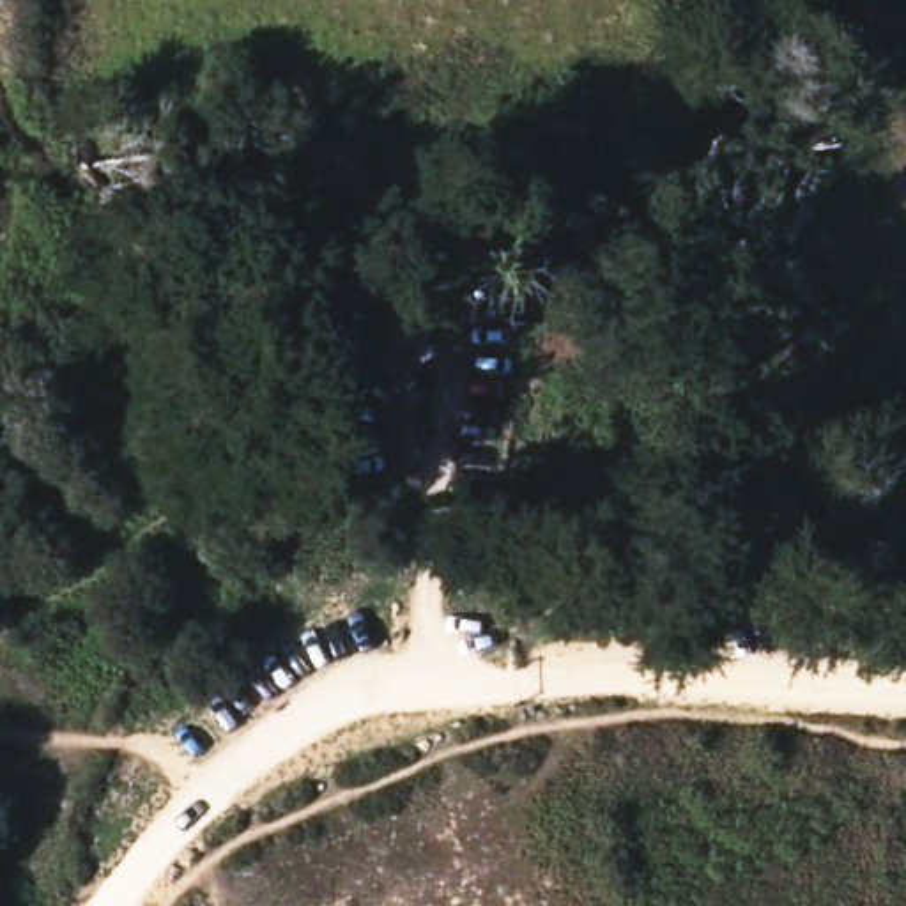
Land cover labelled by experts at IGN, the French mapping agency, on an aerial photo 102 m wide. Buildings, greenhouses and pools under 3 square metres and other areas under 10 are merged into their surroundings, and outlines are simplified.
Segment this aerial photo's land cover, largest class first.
<instances>
[{"label":"deciduous trees","instance_id":"1","mask_svg":"<svg viewBox=\"0 0 906 906\"><path fill-rule=\"evenodd\" d=\"M655 25L662 32L648 60H573V78L549 103H517L510 113H499L481 127L464 120L435 124L439 142L421 149L418 163H386L372 173L365 166L329 163V120H315L308 110L290 103L287 85L251 78L244 67L248 39L212 42L202 50L166 39L156 53H145L142 64L131 71L124 124L131 134L163 138V156L152 159V184H131L113 202H99V191H88L78 177L53 170L42 184H11V212L0 227V630L35 655V680L53 683L71 701H88L96 690H110L117 697V680L134 676L145 690H152L156 683L184 687L195 704L212 708L219 697L237 694V676L248 662V644L241 641L244 626L234 616V609L276 595V580L287 573L319 580L322 563H333L336 584H343L350 573L403 570L393 563L389 552L382 545V520L368 517L361 499L347 488L354 464L372 457L375 449L350 418H343L347 403L386 400V389L379 386L386 379L382 347L400 322L407 333H414L425 326L428 311L449 315L453 322L460 315H471V294L492 273L503 276V304L545 294V315L556 322V333L577 343V357L556 361V368L541 379L538 389L556 411H563L559 432L541 442H527L524 449H510L506 457L503 474H474L471 481H460L453 474V485L432 495L425 499V510L439 513L446 527V566L435 573L442 595L449 598L453 591H485L495 598L513 591L517 609L524 612L520 619H534L549 641L633 644L641 648V669L669 672L672 680L711 672L715 665H722L726 644H740L747 651H786L800 669H814L818 662H856V672L864 680L906 672V382H874L853 396H835L821 379H800L789 389V350L779 326L772 322V297L779 287L775 248L786 237H796L800 230H810L807 195L821 188V177L810 166L842 170L849 163L853 173H895L888 159L892 120L906 117V92L888 78L881 60L860 50L846 32H839V25L828 14H821L825 0H655Z\"/></svg>","mask_w":906,"mask_h":906},{"label":"herbaceous vegetation","instance_id":"2","mask_svg":"<svg viewBox=\"0 0 906 906\"><path fill-rule=\"evenodd\" d=\"M14 7V74L0 81V227L11 212V184H42L53 170L78 177V163L99 159V131L110 124H124L131 71L142 64L145 53H156L166 39L202 50L212 42L248 39L244 67L251 78L287 85L290 103L308 110L315 120H329V163L365 166L372 173L386 163H418L421 149L439 142L435 124L464 120L481 127L499 113H510L517 103H549L573 78V60H648L662 32L655 25V0H7ZM821 14H828L839 25V32H846L860 50L881 60L888 78L906 92V0H825ZM888 159L895 173H853L849 163L842 170L810 166L821 177V188L807 195L810 230H800L796 237H786L775 248L779 287L772 297V322L779 326L789 350V389L800 379H821L835 396H853L874 382H906V117L892 120ZM474 326L471 315H460L453 322L449 315L428 311L425 326L414 333H407L400 322L382 347L386 379L379 386L386 389V400L347 403L343 418H350L375 449L372 457L354 464L347 488L361 499L368 517L382 520V545L389 552L400 538H411L418 545L425 510V499L432 495V485L425 478H400L396 467H389L386 460H396L411 449V386L421 361L432 350H460ZM534 379L531 389L520 396L517 411L510 414V421L503 425L499 457H506L510 449H524L527 442H541L559 432L563 411H556L538 389L541 379L556 368V361L577 357V343L556 333V322L545 315L520 336L517 347ZM418 584L414 570H403L350 573L343 584H336L333 563H322L319 580L287 573L276 580V595L290 598L308 616L326 605L333 591H340L354 605V612L375 609L389 623V602L396 595L411 598ZM442 605L453 619H471L474 612H481L495 619L499 630H510L520 619L524 612L517 609L513 591L495 598L485 591H453L449 598L442 595ZM35 655L0 630V906H25L21 885L32 881L28 860L57 825L60 796L67 786L57 754L50 750L53 733H152L170 711L195 704L184 687L156 683L152 690H145L134 676L117 680V697L110 690H96L88 701H71L53 683L35 680ZM764 733L779 754L782 772H793L796 747L807 733L772 722ZM552 743L541 768L534 775H524L506 796H492L488 782L467 772L457 757H446L439 764L442 786L432 793H414L407 810L414 818V828L428 832L432 839L439 835L446 818H457L467 860L488 864V878H481V906H609L595 888H584L580 878H573V867L559 853V821H570L573 814L570 796H577L580 789H605L598 782L591 754L595 729L549 736ZM156 796L145 782H127L120 775L117 789H110V796L96 810L92 842L103 864L124 856L138 842L131 825L142 818V807Z\"/></svg>","mask_w":906,"mask_h":906},{"label":"pervious surface","instance_id":"3","mask_svg":"<svg viewBox=\"0 0 906 906\"><path fill-rule=\"evenodd\" d=\"M14 7L7 0H0V81L14 74ZM163 156V138L131 134L124 124H110L99 131V159L78 163V177L88 191H99V202H113L131 184H152V159ZM471 315L474 326L460 350H432L421 361L411 386V449L396 460H386L389 467H396L400 478H425L432 485V495L453 485V474L460 481H471L474 474H503L506 457H499L503 425L510 421V414L517 411L520 396L531 389L534 379L517 347L520 336L545 315V294L503 304V276L492 273L471 294ZM393 563L403 570H414L418 584L411 598L396 595L389 602V623L375 609L354 612V605L340 591H333L326 605L308 616L290 598L276 595L234 609V616L244 626L241 641L248 644V662L237 676V694L219 697L212 708L195 704L170 711L152 733H53L50 750L57 754L120 750V775L127 782H145L156 796L142 807V818L131 825L138 842L124 856L103 864L96 885L81 888L78 906H227L216 867L227 860L237 849L265 839L283 832H287V828H294V825H301V821H311V818H319L347 803L382 793L439 764L446 757H457L527 736H549L595 729L655 718L754 726L772 722L807 733L842 736L871 750H906V736H874L846 729L839 718L849 711L906 718V672L864 680L856 672V662H818L814 669H800L786 651H747L740 644H726L722 665H715L711 672L672 680L669 672L641 669V648L633 644L549 641L534 619H520L510 630H499L495 619L481 612H474L471 619H453L442 605V595L435 573L446 566V527L439 513L425 510L418 545L411 538H400L389 552ZM563 697H580L591 711L584 718L527 722L524 711L513 704ZM464 715H506L510 729L460 743L457 726ZM396 740L414 743L421 750L418 761L361 786H336V761ZM301 775H311L319 782V800L276 821L251 825L216 849L202 839L230 807H251L269 789L287 786Z\"/></svg>","mask_w":906,"mask_h":906},{"label":"brushwood","instance_id":"4","mask_svg":"<svg viewBox=\"0 0 906 906\"><path fill-rule=\"evenodd\" d=\"M513 704L524 711L527 722L584 718L591 711L580 697H563ZM846 729L874 736H906V718L849 711L839 718ZM510 729L506 715H464L457 726L460 743ZM772 722L754 726L655 718L595 729L591 754L598 782L605 789H580L577 796H570L573 814L570 821H559V853L573 867V878H580L584 888H595L609 906H906V750H871L842 736L807 733L796 747L793 772H782L779 754L764 733ZM552 743L549 736H527L457 757L467 772L488 782L492 796H506L524 775H534L541 768ZM421 750L414 743L396 740L336 761V786H361L418 761ZM67 786L60 796L57 825L28 860L32 881L21 885L25 906H78L81 888L96 885L103 864L92 842L96 810L110 796V789H117L120 775V750L57 754ZM442 786L439 764L382 793L347 803L361 821H379L407 810L414 793H432ZM319 800V782L311 775H301L287 786L269 789L251 807H230L202 839L216 849L251 825L276 821ZM287 839H290V842H297V846H304V842H319V839H326V821L319 818H311V821H301V825H294V828H287V832H283ZM273 849V842L265 839L237 849L227 860L237 871L262 864Z\"/></svg>","mask_w":906,"mask_h":906},{"label":"bare soil","instance_id":"5","mask_svg":"<svg viewBox=\"0 0 906 906\"><path fill-rule=\"evenodd\" d=\"M319 818L326 821V839H319V842H304V846H297V842H290V839H287L283 832L265 839L273 842V849L262 864L237 871L227 860L216 867L227 906H481V878H488V864L467 860L457 818H446L439 835L432 839L428 832L414 828V818L407 810L379 821H361L347 803Z\"/></svg>","mask_w":906,"mask_h":906}]
</instances>
